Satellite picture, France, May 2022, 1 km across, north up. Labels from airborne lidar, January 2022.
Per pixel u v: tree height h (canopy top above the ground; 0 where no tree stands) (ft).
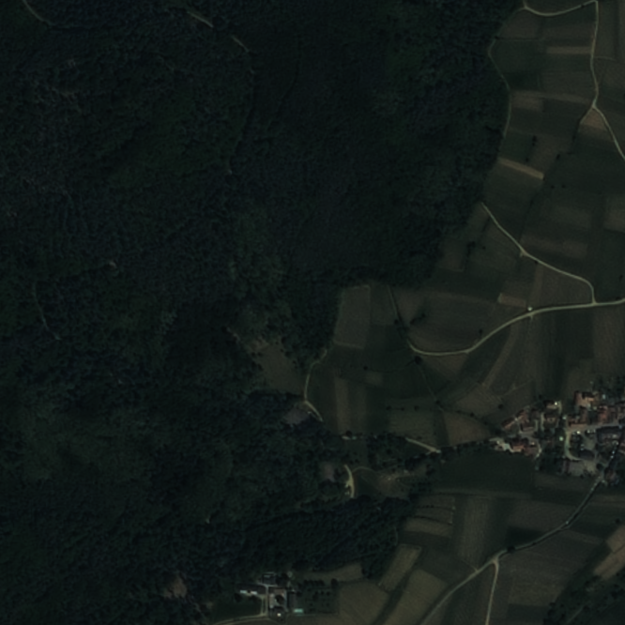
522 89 0
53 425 84
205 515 52
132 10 69
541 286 0
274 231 45
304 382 0
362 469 0
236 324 69
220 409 76
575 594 19
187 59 72
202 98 72
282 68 54
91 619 99
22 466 87
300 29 58
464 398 0
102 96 77
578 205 0
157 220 75
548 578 0
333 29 62
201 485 49
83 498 69
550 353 0
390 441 42
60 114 74
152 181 70
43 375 96
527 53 0
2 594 75
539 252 0
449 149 78
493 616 0
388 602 0
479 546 0
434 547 0
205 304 73
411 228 61
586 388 0
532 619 0
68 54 66
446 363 0
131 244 94
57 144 67
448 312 0
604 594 0
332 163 55
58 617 74
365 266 39
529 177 0
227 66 71
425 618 0
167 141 81
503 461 0
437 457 27
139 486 46
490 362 0
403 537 0
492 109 72
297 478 84
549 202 0
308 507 27
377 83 66
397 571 0
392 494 0
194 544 83
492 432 0
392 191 62
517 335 0
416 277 57
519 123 0
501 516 0
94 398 77
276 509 54
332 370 0
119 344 85
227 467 41
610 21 0
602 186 0
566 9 0
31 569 84
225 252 75
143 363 53
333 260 54
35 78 46
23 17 45
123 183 68
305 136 50
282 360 0
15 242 62
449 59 95
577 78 0
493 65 60
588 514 0
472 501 0
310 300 79
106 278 63
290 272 63
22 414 82
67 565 92
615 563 0
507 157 0
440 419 0
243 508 77
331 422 0
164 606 108
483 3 61
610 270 0
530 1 0
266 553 30
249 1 76
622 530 0
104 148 53
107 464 46
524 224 0
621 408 0
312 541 37
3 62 52
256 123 65
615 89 0
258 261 74
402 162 60
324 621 0
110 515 75
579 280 0
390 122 66
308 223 58
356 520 43
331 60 62
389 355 0
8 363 78
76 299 89
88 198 85
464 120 80
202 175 86
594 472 0
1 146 73
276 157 66
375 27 47
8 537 93
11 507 66
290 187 68
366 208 46
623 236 0
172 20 78
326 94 45
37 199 77
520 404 0
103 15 90
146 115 83
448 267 0
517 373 0
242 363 63
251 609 0
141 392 48
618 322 0
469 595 0
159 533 61
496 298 0
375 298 0
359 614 0
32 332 91
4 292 78
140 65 75
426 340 0
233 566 72
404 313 0
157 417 65
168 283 73
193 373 78
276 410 80
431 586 0
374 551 31
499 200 0
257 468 69
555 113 0
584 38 0
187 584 64
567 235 0
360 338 0
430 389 0
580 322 0
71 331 83
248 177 75
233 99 72
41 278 66
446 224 89
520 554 0
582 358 0
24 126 77
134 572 92
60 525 103
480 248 0
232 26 56
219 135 70
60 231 68
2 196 81
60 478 56
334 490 49
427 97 87
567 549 0
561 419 18
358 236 53
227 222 70
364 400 0
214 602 0
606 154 0
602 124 0
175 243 88
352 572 0
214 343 83
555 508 0
